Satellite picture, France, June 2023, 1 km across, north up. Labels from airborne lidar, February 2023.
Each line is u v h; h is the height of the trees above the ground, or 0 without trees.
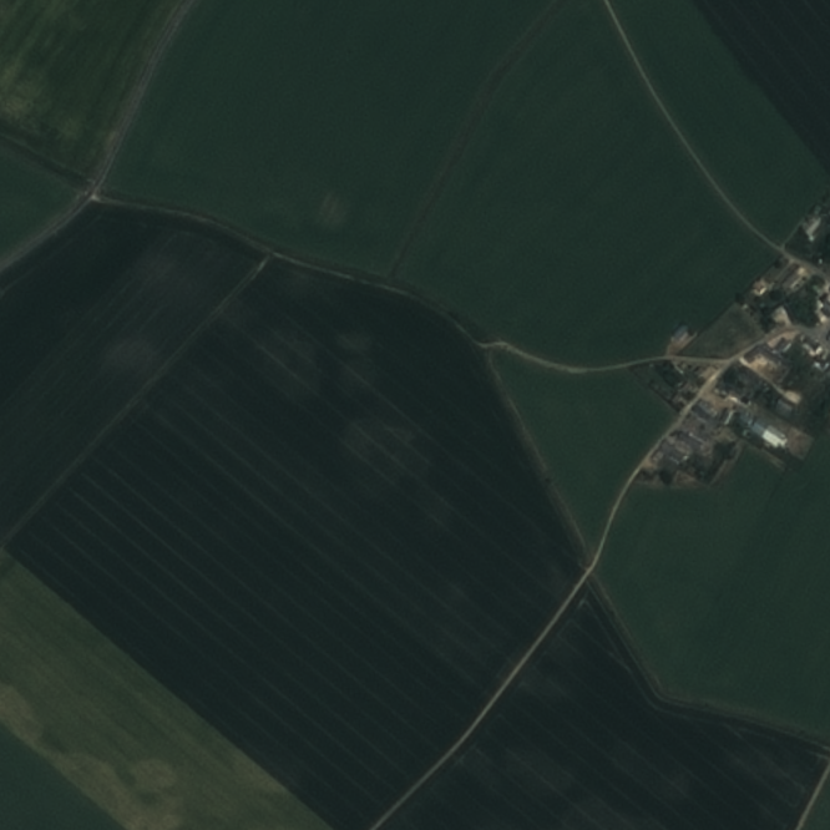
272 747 0
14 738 0
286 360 0
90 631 0
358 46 0
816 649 0
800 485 0
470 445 0
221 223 0
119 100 0
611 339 0
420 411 0
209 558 0
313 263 0
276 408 0
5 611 0
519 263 0
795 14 0
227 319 0
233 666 0
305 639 0
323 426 0
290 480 0
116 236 0
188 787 0
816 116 0
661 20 0
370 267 0
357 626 0
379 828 0
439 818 0
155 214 0
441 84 0
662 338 0
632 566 0
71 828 0
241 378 0
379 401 0
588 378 0
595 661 0
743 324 0
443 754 0
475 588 0
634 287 0
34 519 0
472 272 0
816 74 0
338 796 0
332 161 0
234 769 0
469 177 0
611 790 0
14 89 0
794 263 0
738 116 0
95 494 0
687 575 0
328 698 0
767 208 0
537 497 0
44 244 0
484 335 0
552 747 0
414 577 0
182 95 0
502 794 0
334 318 0
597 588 0
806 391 0
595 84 0
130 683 0
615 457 0
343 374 0
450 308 0
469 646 0
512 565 0
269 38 0
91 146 0
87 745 0
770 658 0
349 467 0
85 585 0
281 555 0
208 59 0
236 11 0
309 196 0
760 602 0
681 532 0
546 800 0
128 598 0
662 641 0
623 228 0
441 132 0
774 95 0
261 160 0
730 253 0
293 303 0
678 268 0
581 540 0
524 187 0
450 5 0
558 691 0
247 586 0
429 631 0
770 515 0
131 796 0
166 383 0
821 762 0
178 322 0
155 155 0
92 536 0
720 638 0
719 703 0
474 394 0
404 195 0
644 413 0
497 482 0
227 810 0
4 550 0
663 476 8
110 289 0
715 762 0
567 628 0
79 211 0
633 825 0
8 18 0
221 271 0
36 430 0
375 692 0
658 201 0
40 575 0
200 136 0
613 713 0
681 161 0
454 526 0
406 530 0
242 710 0
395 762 0
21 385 0
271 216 0
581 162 0
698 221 0
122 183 0
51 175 0
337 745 0
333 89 0
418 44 0
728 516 0
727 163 0
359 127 0
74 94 0
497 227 0
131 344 0
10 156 0
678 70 0
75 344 0
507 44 0
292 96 0
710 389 0
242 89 0
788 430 0
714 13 0
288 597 0
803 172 0
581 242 0
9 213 0
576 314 0
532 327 0
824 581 0
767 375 0
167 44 0
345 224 0
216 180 0
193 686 0
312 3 0
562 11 0
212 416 0
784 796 0
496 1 0
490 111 0
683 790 0
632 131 0
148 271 0
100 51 0
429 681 0
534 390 0
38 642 0
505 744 0
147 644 0
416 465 0
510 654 0
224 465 0
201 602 0
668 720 0
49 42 0
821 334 0
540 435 0
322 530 0
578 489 0
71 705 0
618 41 0
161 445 0
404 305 0
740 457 0
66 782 0
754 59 0
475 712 0
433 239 0
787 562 0
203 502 0
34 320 0
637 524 0
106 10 0
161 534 0
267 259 0
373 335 0
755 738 0
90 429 0
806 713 0
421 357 0
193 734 0
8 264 0
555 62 0
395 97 0
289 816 0
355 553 0
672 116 0
